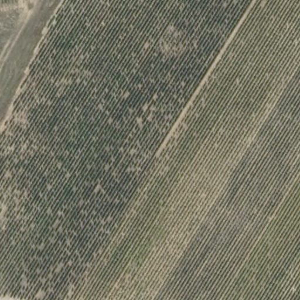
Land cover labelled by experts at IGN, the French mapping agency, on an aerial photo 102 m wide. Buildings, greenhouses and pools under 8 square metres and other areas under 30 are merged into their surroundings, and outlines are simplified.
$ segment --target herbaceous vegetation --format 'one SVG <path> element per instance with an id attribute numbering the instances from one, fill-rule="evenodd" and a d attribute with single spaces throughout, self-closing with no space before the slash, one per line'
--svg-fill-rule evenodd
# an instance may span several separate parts
<path id="1" fill-rule="evenodd" d="M 16 22 L 19 20 L 27 23 L 0 73 L 0 125 L 25 73 L 27 62 L 41 37 L 42 29 L 45 28 L 49 15 L 53 13 L 60 0 L 0 0 L 0 53 L 8 37 L 16 34 Z"/>

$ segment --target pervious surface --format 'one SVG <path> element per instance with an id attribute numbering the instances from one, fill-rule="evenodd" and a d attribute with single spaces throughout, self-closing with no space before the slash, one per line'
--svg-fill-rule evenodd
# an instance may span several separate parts
<path id="1" fill-rule="evenodd" d="M 16 22 L 16 34 L 8 37 L 0 53 L 0 73 L 27 23 L 19 20 Z"/>

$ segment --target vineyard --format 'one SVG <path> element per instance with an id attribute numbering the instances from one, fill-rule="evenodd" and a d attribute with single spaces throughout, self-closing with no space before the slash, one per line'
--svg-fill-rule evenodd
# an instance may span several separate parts
<path id="1" fill-rule="evenodd" d="M 49 15 L 45 28 L 42 29 L 41 37 L 27 62 L 25 73 L 0 125 L 0 300 L 300 300 L 300 0 L 60 0 L 53 13 Z"/>

